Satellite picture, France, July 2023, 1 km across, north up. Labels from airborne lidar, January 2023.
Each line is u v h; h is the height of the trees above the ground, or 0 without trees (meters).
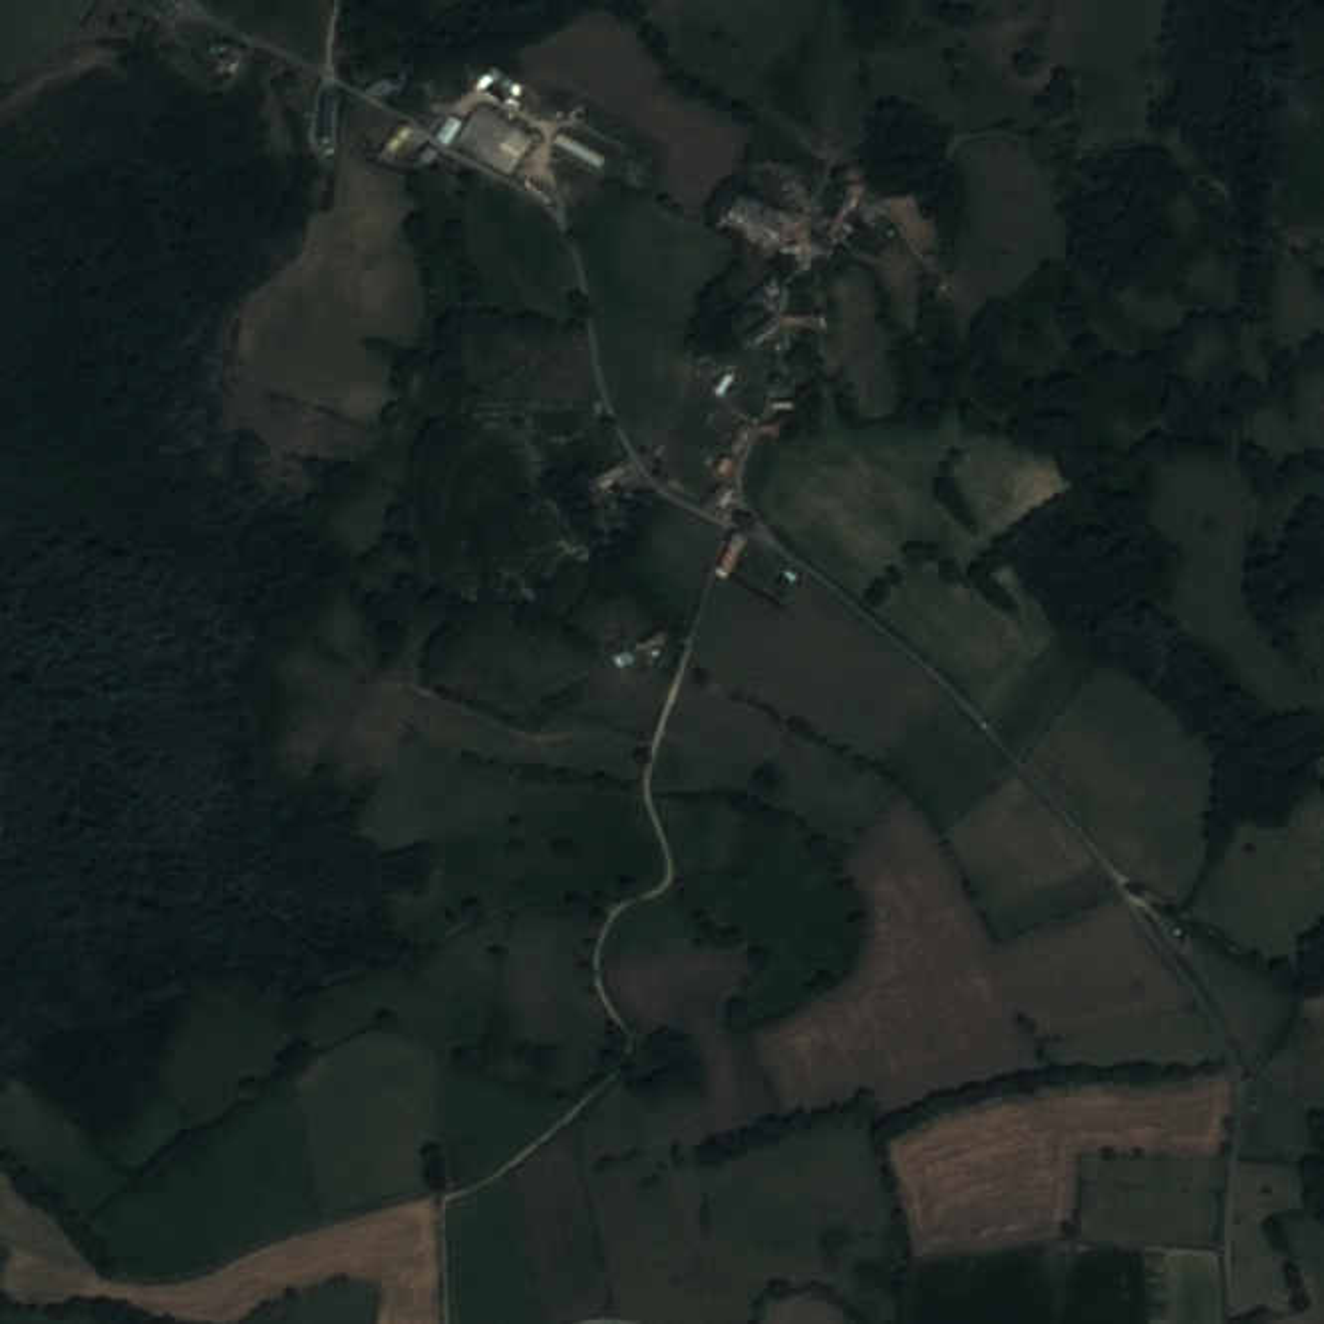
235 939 23
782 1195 0
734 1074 0
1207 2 21
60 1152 0
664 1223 0
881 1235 0
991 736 0
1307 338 0
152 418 15
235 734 17
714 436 0
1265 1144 0
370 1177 0
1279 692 0
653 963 0
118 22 13
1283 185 13
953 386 7
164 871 19
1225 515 0
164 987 20
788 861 0
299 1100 0
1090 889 0
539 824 0
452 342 20
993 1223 0
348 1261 0
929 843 0
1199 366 0
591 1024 0
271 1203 0
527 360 0
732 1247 0
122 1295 0
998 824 0
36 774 19
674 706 0
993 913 0
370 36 16
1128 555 20
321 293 0
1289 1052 0
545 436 0
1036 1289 0
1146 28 0
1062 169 15
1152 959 0
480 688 0
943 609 0
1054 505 9
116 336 22
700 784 0
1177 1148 0
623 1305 0
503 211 0
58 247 17
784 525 0
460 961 0
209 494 12
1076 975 0
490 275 0
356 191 0
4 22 0
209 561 26
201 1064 0
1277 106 21
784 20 0
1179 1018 0
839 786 0
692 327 8
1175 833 0
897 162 8
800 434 13
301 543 26
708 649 0
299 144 6
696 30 0
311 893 15
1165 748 0
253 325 0
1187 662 23
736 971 0
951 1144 0
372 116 0
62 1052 7
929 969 0
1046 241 0
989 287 0
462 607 14
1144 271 17
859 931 16
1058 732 0
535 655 0
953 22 16
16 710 17
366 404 0
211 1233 0
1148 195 18
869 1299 0
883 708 0
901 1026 0
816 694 0
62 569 23
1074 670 0
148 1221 0
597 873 0
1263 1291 0
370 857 13
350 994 0
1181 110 20
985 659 0
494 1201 0
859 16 12
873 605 11
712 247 0
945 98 0
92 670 24
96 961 24
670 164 0
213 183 19
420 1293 0
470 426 0
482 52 11
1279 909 0
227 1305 0
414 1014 0
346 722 0
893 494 0
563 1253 0
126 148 16
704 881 0
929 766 0
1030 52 9
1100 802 0
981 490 0
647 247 0
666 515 0
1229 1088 0
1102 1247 0
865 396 0
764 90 0
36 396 21
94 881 23
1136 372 17
